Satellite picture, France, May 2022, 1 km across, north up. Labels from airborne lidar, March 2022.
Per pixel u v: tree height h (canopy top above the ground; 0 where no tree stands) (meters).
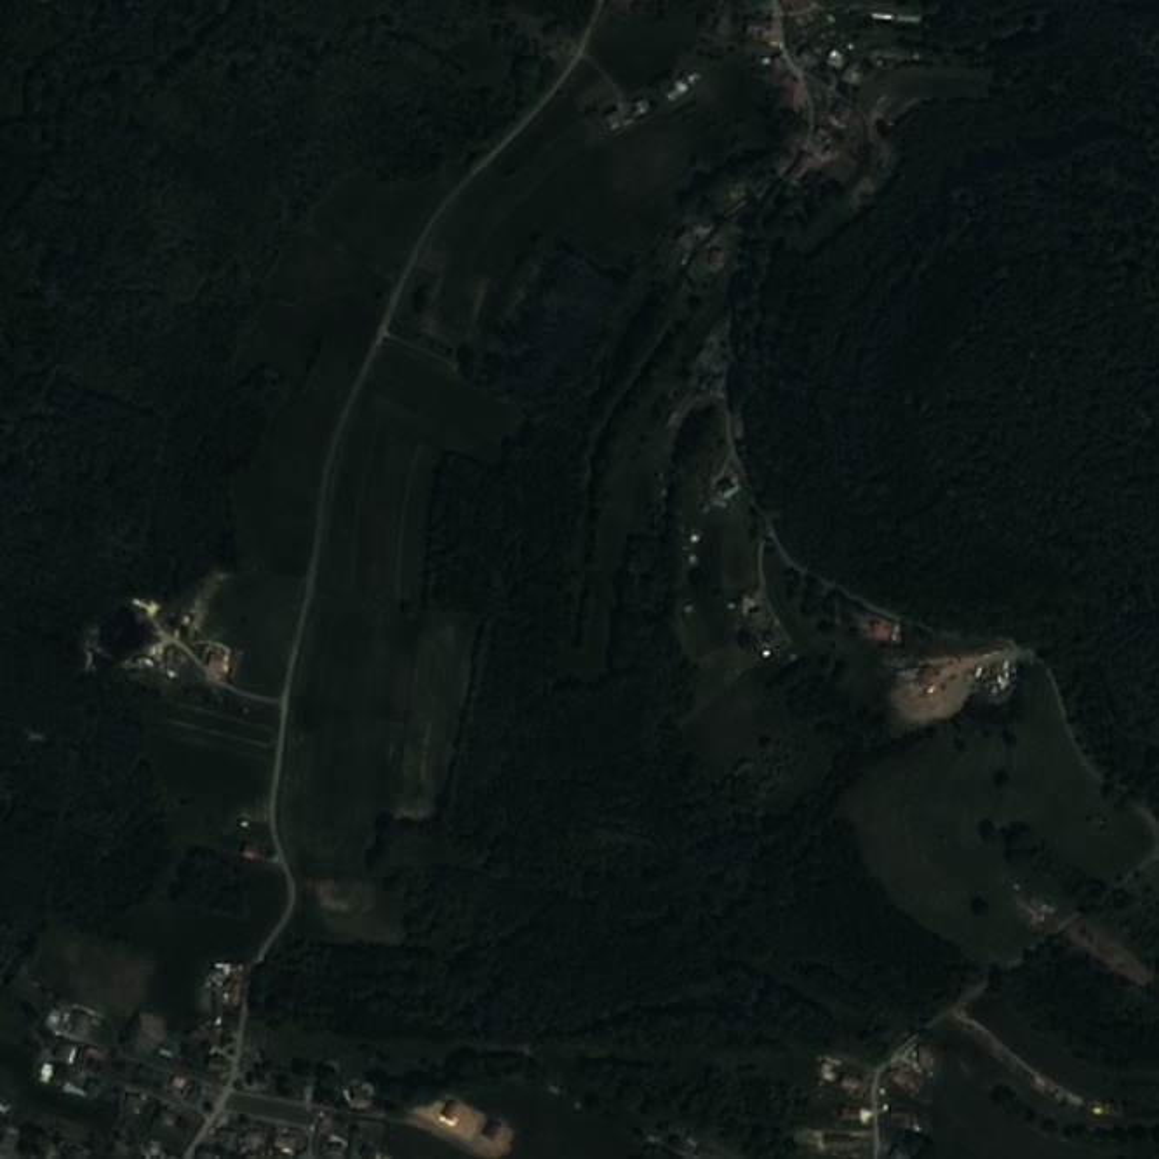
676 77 6
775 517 12
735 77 0
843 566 13
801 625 0
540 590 16
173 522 21
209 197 14
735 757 0
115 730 21
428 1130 0
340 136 17
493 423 0
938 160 9
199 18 22
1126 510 12
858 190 0
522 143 0
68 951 0
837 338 8
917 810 0
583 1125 0
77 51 25
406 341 0
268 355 0
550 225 0
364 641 0
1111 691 35
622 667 12
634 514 0
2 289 12
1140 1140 19
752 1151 11
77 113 29
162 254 18
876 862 0
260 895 0
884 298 13
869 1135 0
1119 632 27
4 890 11
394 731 0
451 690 0
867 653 0
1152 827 0
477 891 13
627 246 0
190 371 16
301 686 0
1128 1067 19
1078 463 11
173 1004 0
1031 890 0
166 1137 0
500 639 13
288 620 0
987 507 18
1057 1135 12
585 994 15
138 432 27
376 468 0
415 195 0
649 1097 18
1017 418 11
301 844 0
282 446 0
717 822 15
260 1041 0
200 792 0
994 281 14
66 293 34
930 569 26
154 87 30
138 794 16
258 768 0
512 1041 24
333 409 0
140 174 22
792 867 10
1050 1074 0
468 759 9
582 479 15
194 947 0
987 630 15
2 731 17
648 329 22
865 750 17
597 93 0
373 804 0
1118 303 12
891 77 0
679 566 10
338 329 0
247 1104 0
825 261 8
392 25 19
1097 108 7
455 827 11
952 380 13
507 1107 0
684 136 0
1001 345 15
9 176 15
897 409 15
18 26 15
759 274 24
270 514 0
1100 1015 16
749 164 13
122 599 12
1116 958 0
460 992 19
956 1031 0
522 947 16
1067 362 17
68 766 16
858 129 0
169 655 0
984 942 0
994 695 0
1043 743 0
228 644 0
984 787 0
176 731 0
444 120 16
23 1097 0
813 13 0
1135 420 14
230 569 11
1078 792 0
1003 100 12
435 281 0
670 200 0
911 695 0
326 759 0
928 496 11
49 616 14
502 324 0
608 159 0
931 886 0
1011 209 28
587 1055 0
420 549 0
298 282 0
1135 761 12
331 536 0
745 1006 27
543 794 15
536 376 28
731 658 0
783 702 8
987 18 29
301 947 8
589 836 24
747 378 24
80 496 23
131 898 12
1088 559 22
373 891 0
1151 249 17
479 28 0
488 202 0
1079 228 8
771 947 12
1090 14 31
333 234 0
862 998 20
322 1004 19
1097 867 0
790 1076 0
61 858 12
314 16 11
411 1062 0
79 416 27
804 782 0
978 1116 0
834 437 15
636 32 0
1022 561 22
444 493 14
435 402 0
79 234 33
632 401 20
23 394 25
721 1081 6
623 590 23
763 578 0
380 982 21
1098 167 31
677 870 26
